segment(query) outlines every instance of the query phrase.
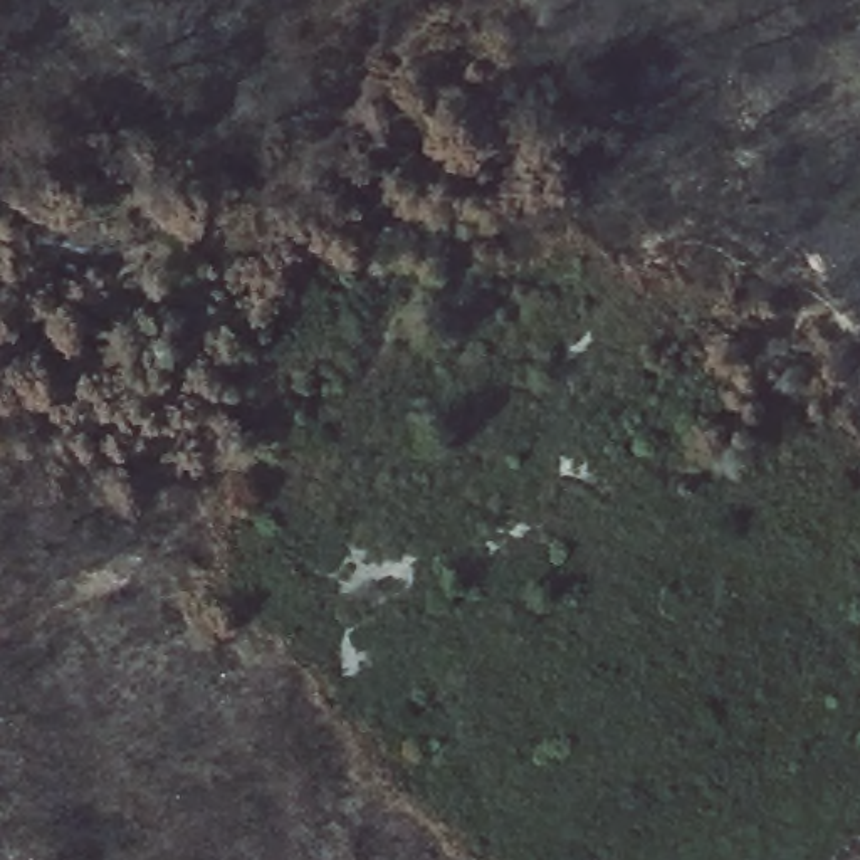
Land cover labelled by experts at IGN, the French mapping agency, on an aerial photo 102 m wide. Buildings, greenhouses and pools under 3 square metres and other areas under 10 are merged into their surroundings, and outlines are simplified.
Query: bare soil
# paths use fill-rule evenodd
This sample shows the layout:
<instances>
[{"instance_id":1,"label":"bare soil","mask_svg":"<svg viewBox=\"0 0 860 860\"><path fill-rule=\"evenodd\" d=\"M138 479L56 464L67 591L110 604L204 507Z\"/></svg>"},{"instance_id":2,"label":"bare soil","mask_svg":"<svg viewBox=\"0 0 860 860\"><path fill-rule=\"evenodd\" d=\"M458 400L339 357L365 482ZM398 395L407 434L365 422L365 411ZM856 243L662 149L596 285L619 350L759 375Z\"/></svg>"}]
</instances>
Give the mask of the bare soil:
<instances>
[{"instance_id":1,"label":"bare soil","mask_svg":"<svg viewBox=\"0 0 860 860\"><path fill-rule=\"evenodd\" d=\"M343 581L346 595L380 578L413 581L413 558L370 564L363 548L353 548L349 561L356 571Z\"/></svg>"},{"instance_id":2,"label":"bare soil","mask_svg":"<svg viewBox=\"0 0 860 860\"><path fill-rule=\"evenodd\" d=\"M642 121L628 131L625 144L615 151L618 171L595 181L598 202L591 205L581 198L574 232L601 245L611 255L611 262L635 265L635 275L645 289L658 289L665 279L682 279L685 286L719 292L719 299L736 306L769 302L773 319L749 319L729 336L726 346L726 363L746 366L756 413L739 464L763 460L763 454L769 447L779 447L786 433L800 433L806 420L816 423L823 413L833 413L833 423L847 433L847 440L857 443L860 454L860 0L0 0L0 165L17 155L13 138L37 108L50 108L64 97L74 101L87 87L97 87L108 97L124 101L155 97L155 104L161 108L185 104L188 111L198 111L208 124L215 124L218 138L252 134L259 138L259 151L282 151L292 165L299 161L299 151L309 141L319 141L329 131L336 131L336 124L356 104L366 77L366 54L373 44L380 47L383 64L400 71L413 71L413 60L427 57L430 50L457 47L480 47L484 57L490 57L497 67L527 71L534 64L551 60L571 71L621 71L628 64L655 57L662 67L658 94L642 111Z\"/></svg>"},{"instance_id":3,"label":"bare soil","mask_svg":"<svg viewBox=\"0 0 860 860\"><path fill-rule=\"evenodd\" d=\"M20 460L0 457L0 860L480 860L467 857L467 850L460 847L460 826L440 823L406 793L400 793L396 783L376 763L366 763L349 719L343 719L339 709L333 709L323 699L316 669L292 669L296 662L279 632L265 632L255 621L245 628L228 628L225 611L218 605L208 605L205 568L212 568L212 551L205 548L205 524L198 521L198 501L205 497L205 490L195 480L188 490L181 490L175 504L158 507L155 514L124 517L114 507L97 504L37 504L30 497L30 477L24 474Z\"/></svg>"}]
</instances>

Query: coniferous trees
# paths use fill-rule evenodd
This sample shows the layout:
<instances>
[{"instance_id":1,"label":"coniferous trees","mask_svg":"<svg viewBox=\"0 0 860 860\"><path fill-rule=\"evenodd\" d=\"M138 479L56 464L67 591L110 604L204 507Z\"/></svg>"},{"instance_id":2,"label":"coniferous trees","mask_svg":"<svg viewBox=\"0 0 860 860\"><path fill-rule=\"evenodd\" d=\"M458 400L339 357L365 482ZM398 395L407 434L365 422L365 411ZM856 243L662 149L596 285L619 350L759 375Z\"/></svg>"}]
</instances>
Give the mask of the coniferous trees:
<instances>
[{"instance_id":1,"label":"coniferous trees","mask_svg":"<svg viewBox=\"0 0 860 860\"><path fill-rule=\"evenodd\" d=\"M366 54L366 77L356 104L336 124L336 131L329 131L319 141L309 141L299 151L299 161L292 165L282 151L259 151L259 138L252 134L218 138L215 124L208 124L198 111L188 111L185 104L161 108L155 104L155 97L124 101L108 97L97 87L87 87L74 101L64 97L50 108L37 108L13 138L17 155L0 165L0 457L20 460L24 474L30 477L30 497L37 504L97 504L114 507L124 517L155 514L158 507L175 504L181 490L188 490L195 480L205 490L222 484L218 467L272 467L275 440L282 440L292 430L292 413L306 413L312 420L319 413L323 373L309 380L309 396L299 396L292 393L292 380L275 370L269 353L302 319L302 296L326 262L339 272L353 272L356 259L390 262L400 255L413 255L417 262L433 269L433 275L443 279L427 309L430 336L470 339L470 333L497 309L507 319L521 316L521 309L511 302L514 289L534 296L538 302L561 299L564 289L558 282L548 282L531 259L541 255L541 245L551 235L574 232L581 198L591 205L598 202L595 181L618 171L615 151L625 144L628 131L642 121L642 111L658 94L662 67L655 57L628 64L621 71L571 71L551 60L534 64L527 71L497 67L490 57L484 57L480 47L457 47L430 50L427 57L413 60L413 71L400 71L383 64L380 47L373 44Z\"/></svg>"}]
</instances>

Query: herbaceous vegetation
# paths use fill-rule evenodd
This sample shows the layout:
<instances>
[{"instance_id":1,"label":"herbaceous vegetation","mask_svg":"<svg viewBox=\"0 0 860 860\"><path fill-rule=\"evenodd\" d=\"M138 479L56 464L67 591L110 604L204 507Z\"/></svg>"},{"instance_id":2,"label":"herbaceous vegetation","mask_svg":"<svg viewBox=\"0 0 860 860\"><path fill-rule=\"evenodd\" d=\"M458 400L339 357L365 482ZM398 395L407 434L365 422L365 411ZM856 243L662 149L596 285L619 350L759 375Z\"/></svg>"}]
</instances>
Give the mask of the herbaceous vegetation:
<instances>
[{"instance_id":1,"label":"herbaceous vegetation","mask_svg":"<svg viewBox=\"0 0 860 860\"><path fill-rule=\"evenodd\" d=\"M847 433L833 423L833 413L823 413L816 423L806 420L800 433L786 433L779 447L769 447L763 454L763 460L739 464L756 413L746 366L726 363L726 346L729 336L749 319L773 319L769 302L736 306L719 299L719 292L685 286L682 279L665 279L658 289L645 289L635 275L635 265L611 262L611 255L601 245L574 232L551 235L541 245L541 255L531 259L548 282L558 282L564 289L561 299L538 302L534 296L514 289L511 302L521 309L521 316L507 319L497 309L470 333L470 339L430 336L427 309L443 279L433 275L433 269L417 262L413 255L400 255L390 262L356 259L353 272L339 272L326 262L302 296L302 319L269 353L275 370L292 380L292 393L299 396L309 396L309 380L323 373L319 413L312 420L306 413L292 413L292 430L282 440L275 440L272 467L218 467L222 484L205 490L205 497L198 501L198 521L205 524L205 548L212 551L212 568L205 568L208 605L218 605L225 611L228 628L245 628L255 621L265 632L279 632L296 662L292 669L316 669L323 699L333 709L339 709L343 719L349 719L366 763L376 763L396 783L400 793L406 793L440 823L460 826L460 847L467 850L467 857L480 860L860 860L860 454L857 443L847 440ZM413 558L413 581L380 578L346 595L343 581L356 571L349 561L353 548L363 548L370 564Z\"/></svg>"}]
</instances>

